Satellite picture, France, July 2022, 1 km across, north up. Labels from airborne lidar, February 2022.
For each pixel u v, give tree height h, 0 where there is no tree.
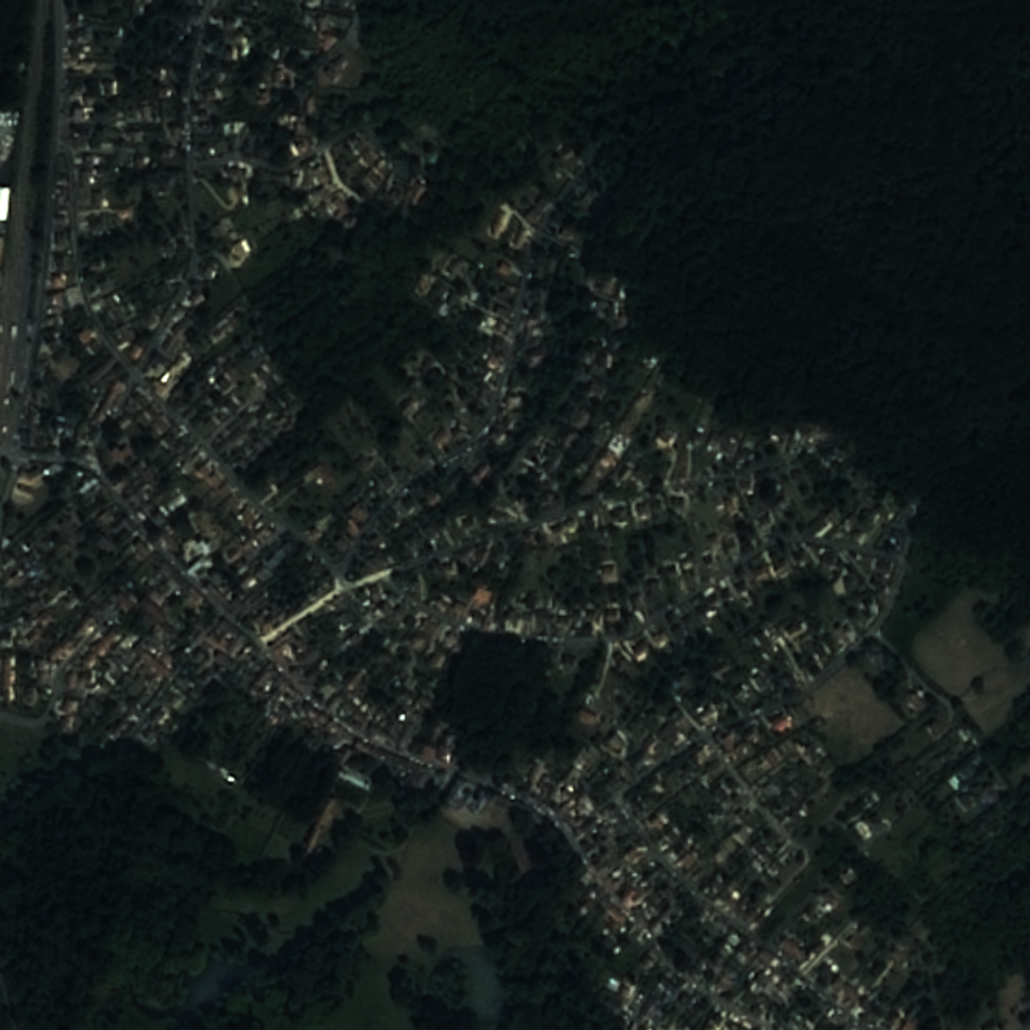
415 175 13
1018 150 23
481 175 20
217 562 10
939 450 20
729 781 8
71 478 10
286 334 14
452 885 19
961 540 14
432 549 8
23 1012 28
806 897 0
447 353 20
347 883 0
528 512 6
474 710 22
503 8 16
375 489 7
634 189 19
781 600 8
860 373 20
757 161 20
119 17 7
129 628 7
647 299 12
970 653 0
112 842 6
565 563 10
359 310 21
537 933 29
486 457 0
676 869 0
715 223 21
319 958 30
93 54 0
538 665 16
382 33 12
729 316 20
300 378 15
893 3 23
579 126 22
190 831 27
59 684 0
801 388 17
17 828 28
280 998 27
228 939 0
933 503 17
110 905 22
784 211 23
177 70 11
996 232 25
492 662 22
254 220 0
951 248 21
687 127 26
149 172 10
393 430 14
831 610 0
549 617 0
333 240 12
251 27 7
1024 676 0
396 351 6
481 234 0
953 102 27
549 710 24
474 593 7
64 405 6
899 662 11
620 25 10
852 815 8
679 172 19
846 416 14
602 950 20
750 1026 0
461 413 0
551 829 23
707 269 13
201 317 16
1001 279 28
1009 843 8
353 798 10
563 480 11
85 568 14
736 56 6
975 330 22
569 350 6
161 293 0
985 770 12
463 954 0
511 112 13
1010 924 6
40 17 0
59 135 0
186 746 22
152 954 37
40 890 11
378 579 0
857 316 8
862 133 24
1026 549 17
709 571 0
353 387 10
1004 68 24
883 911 6
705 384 20
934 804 10
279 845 0
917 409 24
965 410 24
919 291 25
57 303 0
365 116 13
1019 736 12
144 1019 0
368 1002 0
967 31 27
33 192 0
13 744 0
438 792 20
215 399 12
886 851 0
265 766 13
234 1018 15
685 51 24
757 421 20
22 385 0
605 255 15
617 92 22
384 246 17
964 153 24
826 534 0
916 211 27
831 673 0
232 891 27
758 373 18
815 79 19
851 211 22
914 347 17
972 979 6
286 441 11
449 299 0
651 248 16
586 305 12
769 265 9
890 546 11
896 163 27
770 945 0
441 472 14
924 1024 7
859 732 0
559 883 25
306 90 13
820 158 25
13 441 0
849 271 11
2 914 23
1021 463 18
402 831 13
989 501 19
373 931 27
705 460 0
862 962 6
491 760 27
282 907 0
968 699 0
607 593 6
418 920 0
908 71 25
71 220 0
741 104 28
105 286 0
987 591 10
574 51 6
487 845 17
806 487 11
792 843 0
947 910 7
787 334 9
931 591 0
